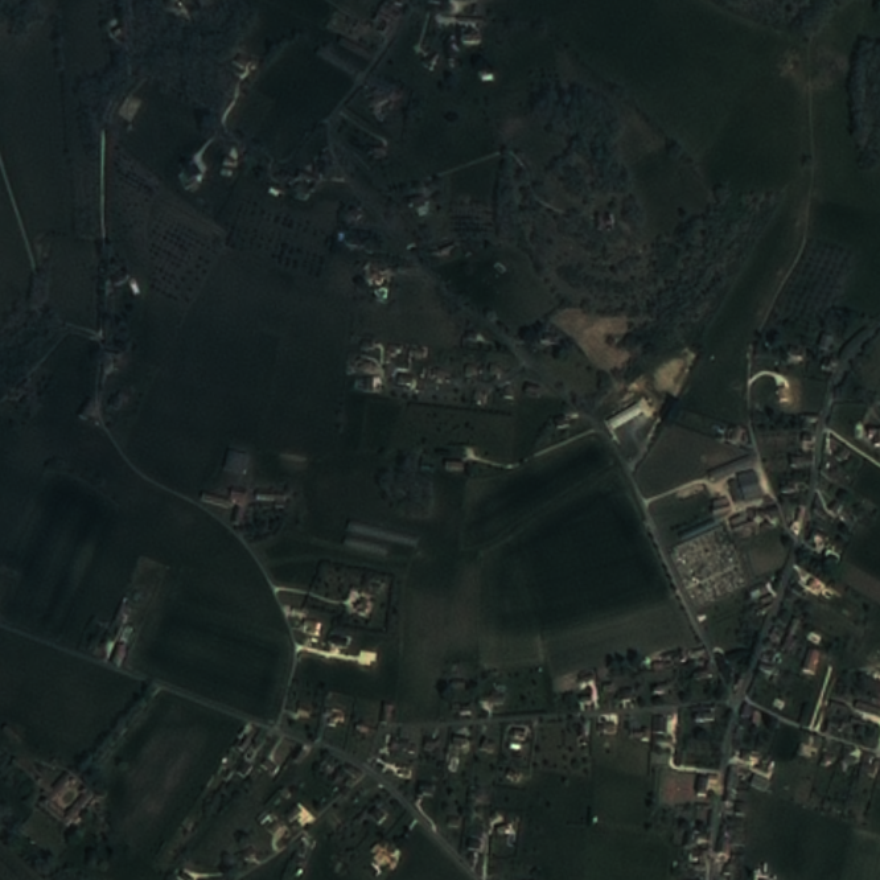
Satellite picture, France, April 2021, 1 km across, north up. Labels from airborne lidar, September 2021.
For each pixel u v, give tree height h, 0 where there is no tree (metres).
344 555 0
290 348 0
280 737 0
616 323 0
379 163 7
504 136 0
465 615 0
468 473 8
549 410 0
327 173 21
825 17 24
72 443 0
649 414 0
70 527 0
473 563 0
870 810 6
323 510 0
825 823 0
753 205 8
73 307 0
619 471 0
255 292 0
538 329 10
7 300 0
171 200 0
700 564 0
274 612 0
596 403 15
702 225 14
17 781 12
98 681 0
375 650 0
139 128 0
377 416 0
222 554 0
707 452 0
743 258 12
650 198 0
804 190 0
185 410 0
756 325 0
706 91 0
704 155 0
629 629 0
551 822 0
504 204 18
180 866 11
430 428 0
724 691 10
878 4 14
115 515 0
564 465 0
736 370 0
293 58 0
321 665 0
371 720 0
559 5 0
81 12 0
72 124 0
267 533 9
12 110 0
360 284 12
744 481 0
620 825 0
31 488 0
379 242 8
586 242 14
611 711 0
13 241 0
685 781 0
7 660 0
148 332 0
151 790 0
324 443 0
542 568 0
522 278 0
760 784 0
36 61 0
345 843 6
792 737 0
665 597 0
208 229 0
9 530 0
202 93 17
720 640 0
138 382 0
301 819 0
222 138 19
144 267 0
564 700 7
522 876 0
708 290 11
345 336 0
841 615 0
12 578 0
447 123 0
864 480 0
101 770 16
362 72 0
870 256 0
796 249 0
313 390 0
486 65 9
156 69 18
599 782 0
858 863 0
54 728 0
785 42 0
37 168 0
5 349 8
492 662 0
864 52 14
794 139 0
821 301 10
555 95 21
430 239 14
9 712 0
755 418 11
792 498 6
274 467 0
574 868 0
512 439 0
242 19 21
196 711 0
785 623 7
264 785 0
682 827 15
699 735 13
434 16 11
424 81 0
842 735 7
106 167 0
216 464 0
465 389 0
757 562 0
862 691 15
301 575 0
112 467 0
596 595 0
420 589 0
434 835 0
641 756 0
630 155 0
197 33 15
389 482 18
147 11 17
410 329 0
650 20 0
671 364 0
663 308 13
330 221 0
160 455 0
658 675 0
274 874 0
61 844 7
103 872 12
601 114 20
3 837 10
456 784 0
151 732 0
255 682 0
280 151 0
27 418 5
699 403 0
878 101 14
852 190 0
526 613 0
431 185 11
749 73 0
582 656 0
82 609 0
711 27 0
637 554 0
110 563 0
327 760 12
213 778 0
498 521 0
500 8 0
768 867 0
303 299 0
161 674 0
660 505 0
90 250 0
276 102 0
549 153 0
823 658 0
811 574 11
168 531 0
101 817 9
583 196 16
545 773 0
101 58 0
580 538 0
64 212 0
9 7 14
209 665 0
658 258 9
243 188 0
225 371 0
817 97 0
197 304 0
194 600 0
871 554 0
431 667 0
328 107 0
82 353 0
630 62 0
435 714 0
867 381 0
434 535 0
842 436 0
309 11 0
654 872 0
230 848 0
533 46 0
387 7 0
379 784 0
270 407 0
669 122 0
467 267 10
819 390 0
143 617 0
